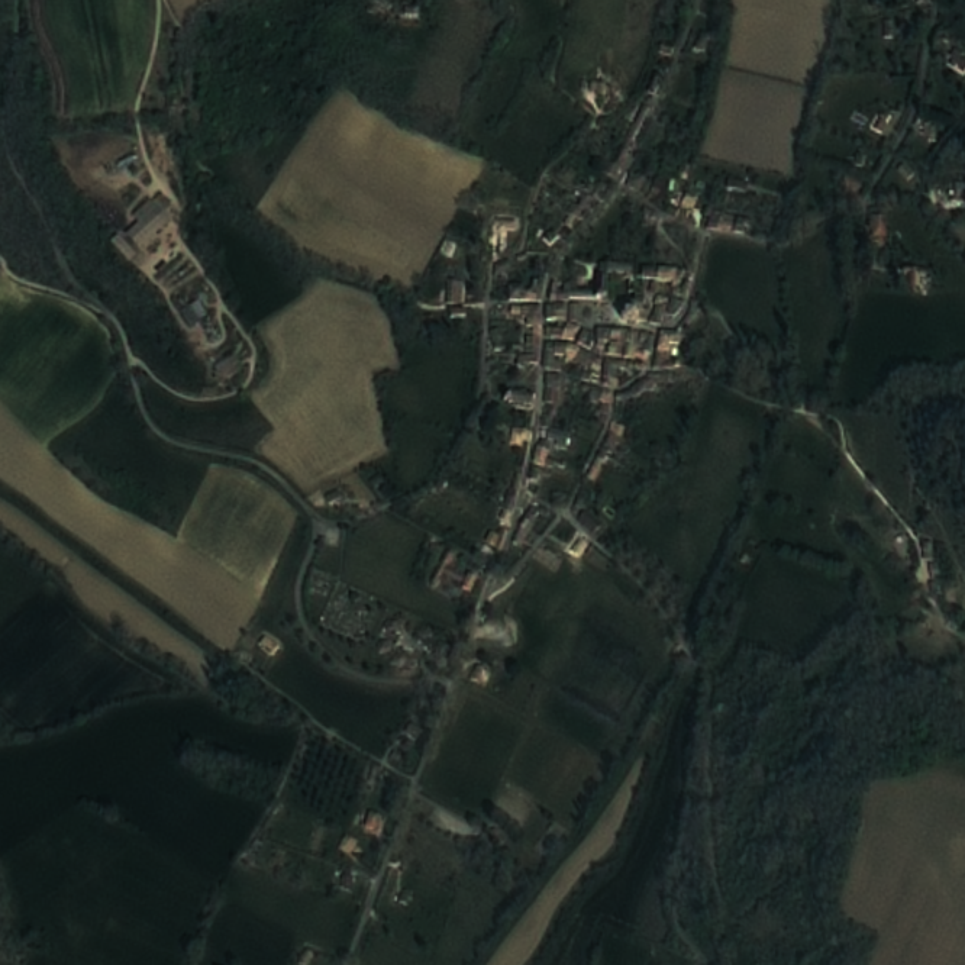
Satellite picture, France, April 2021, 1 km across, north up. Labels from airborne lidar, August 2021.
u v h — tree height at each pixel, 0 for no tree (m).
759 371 29
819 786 23
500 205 0
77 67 0
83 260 19
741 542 10
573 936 0
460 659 26
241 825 0
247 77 9
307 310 0
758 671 9
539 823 0
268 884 0
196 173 12
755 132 0
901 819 0
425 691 21
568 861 0
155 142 0
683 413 0
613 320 0
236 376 7
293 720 13
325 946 0
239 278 0
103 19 0
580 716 0
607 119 10
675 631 19
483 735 0
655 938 0
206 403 0
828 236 0
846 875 15
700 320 0
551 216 7
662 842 0
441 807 0
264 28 7
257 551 0
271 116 10
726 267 0
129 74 0
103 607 0
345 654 0
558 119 0
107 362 0
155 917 0
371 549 0
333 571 0
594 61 0
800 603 0
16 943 15
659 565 9
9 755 0
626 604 0
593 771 0
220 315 0
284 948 0
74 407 0
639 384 0
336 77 21
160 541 0
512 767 0
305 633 15
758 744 8
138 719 0
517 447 7
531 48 0
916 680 18
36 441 0
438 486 12
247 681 20
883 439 0
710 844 16
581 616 0
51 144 10
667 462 8
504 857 15
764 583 0
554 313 0
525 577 0
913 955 0
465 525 0
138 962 0
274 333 0
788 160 0
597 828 0
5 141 15
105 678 0
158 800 0
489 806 0
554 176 0
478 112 0
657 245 19
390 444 11
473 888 0
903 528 14
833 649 11
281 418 0
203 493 0
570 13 12
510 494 0
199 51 20
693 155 12
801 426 0
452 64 0
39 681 0
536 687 6
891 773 16
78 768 0
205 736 0
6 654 0
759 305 0
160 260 0
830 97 0
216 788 8
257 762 8
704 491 0
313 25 8
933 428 14
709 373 10
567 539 7
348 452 0
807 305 0
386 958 0
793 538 0
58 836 0
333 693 0
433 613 0
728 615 7
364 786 12
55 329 0
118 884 0
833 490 0
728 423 0
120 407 0
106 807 16
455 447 12
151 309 16
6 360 0
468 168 0
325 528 0
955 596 0
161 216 0
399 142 0
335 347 0
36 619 0
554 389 0
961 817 0
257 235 16
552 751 0
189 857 0
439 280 7
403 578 0
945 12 18
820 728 16
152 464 0
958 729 23
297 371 0
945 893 0
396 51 14
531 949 0
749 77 0
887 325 0
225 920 0
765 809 14
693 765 20
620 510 8
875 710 20
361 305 0
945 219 17
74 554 0
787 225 17
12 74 14
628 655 0
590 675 0
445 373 0
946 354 0
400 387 0
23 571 0
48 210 24
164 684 0
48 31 0
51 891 0
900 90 0
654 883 0
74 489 0
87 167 0
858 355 0
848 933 13
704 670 18
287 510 0
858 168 15
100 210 8
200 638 7
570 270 13
